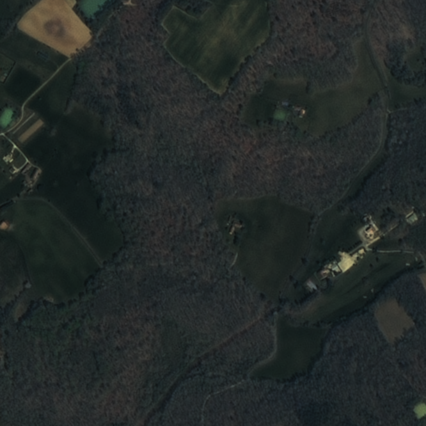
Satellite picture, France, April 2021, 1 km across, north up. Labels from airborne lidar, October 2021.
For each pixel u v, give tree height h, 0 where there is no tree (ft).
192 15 33
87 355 47
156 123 52
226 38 0
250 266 0
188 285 50
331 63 67
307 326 53
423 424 47
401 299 73
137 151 74
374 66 0
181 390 66
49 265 0
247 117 0
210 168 20
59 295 0
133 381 36
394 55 73
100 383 60
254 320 67
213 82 0
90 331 29
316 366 83
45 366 61
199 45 0
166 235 28
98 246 0
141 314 28
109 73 34
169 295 74
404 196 52
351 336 84
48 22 0
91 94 52
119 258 70
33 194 0
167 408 64
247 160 36
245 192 71
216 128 21
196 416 68
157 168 72
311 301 44
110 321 29
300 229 0
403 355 67
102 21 34
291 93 0
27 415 80
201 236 66
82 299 52
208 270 70
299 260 0
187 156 67
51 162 0
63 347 46
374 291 0
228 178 70
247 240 0
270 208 0
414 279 75
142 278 54
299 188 58
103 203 60
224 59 0
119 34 40
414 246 58
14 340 79
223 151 56
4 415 76
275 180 60
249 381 78
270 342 63
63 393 64
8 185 0
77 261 0
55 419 69
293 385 62
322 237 0
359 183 0
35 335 95
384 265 0
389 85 0
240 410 52
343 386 79
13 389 59
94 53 27
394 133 62
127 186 37
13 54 0
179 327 74
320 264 31
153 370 49
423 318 71
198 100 46
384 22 78
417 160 52
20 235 0
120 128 35
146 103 54
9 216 0
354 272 0
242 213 0
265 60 59
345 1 42
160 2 22
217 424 52
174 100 52
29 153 0
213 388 68
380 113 89
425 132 70
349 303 0
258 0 0
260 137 28
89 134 0
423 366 58
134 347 59
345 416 65
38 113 0
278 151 34
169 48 0
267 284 0
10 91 0
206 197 54
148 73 47
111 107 67
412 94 0
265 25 0
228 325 75
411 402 53
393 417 66
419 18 86
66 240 0
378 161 0
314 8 33
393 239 43
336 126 0
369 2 70
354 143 64
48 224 0
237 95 28
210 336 73
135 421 75
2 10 0
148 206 46
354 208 64
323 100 0
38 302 20
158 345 70
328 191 61
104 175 61
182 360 33
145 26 26
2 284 36
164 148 33
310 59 62
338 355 33
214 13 0
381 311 0
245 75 54
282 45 63
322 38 37
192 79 55
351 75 68
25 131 0
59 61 0
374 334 77
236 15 0
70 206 0
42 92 0
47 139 0
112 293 48
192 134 70
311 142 83
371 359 46
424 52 57
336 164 59
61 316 83
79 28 0
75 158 0
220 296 79
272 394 70
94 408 45
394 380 69
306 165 44
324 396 76
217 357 37
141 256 49
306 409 81
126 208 57
